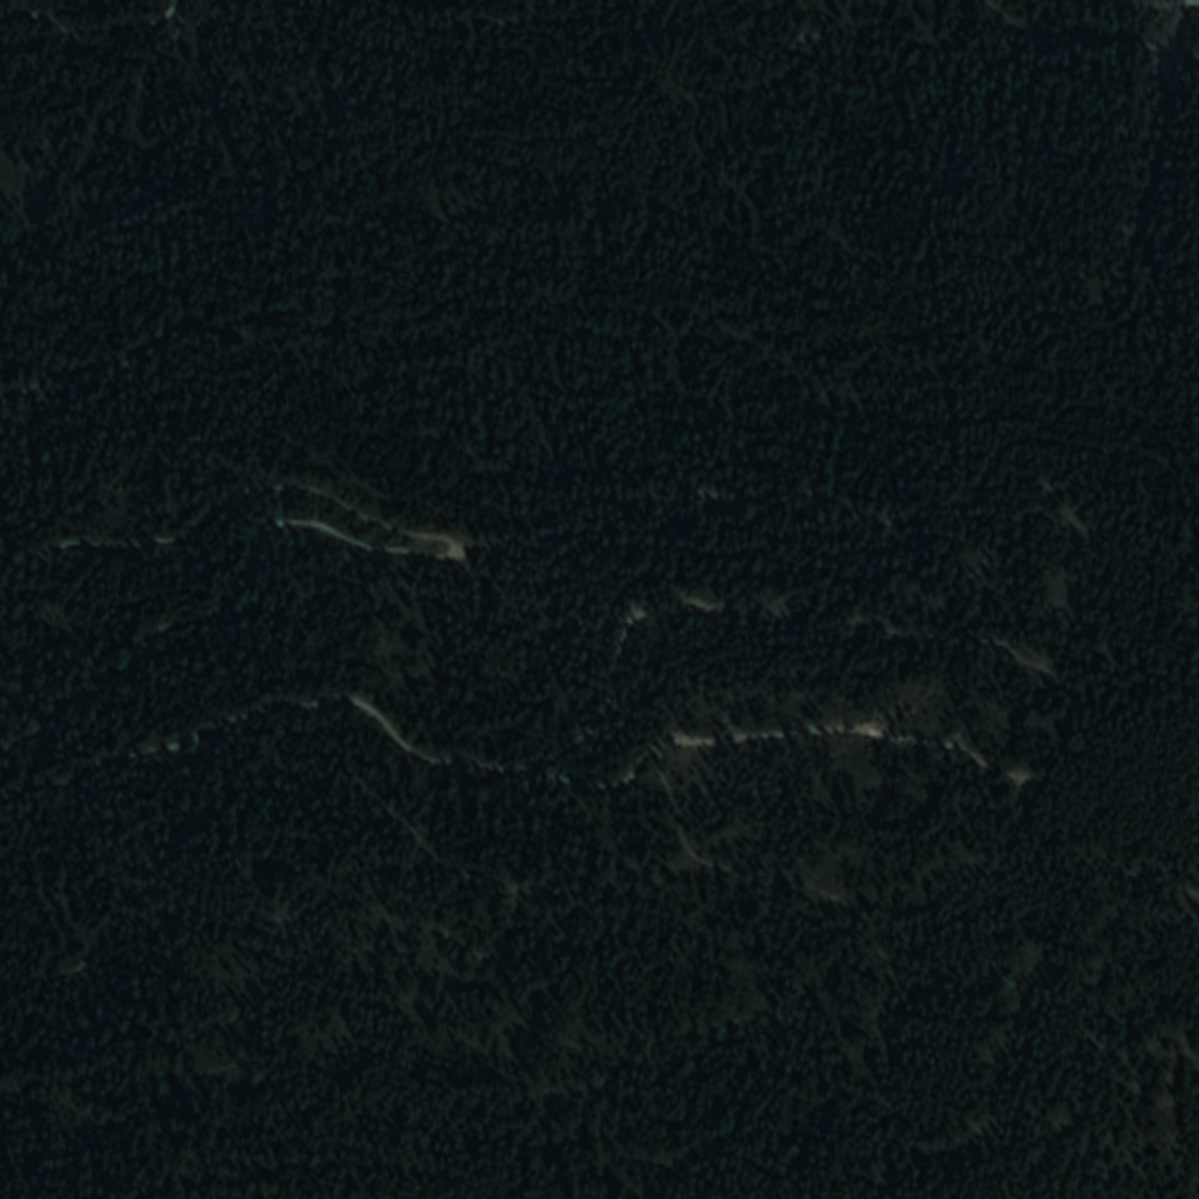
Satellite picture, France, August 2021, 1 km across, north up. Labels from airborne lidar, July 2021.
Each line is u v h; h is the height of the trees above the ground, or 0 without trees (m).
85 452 18
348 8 10
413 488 11
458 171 27
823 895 0
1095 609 17
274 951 17
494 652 25
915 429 13
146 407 13
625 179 23
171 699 14
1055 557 19
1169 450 16
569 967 23
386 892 11
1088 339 23
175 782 12
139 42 16
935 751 22
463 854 11
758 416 20
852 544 9
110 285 21
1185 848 17
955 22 17
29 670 12
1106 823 19
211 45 20
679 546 25
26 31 15
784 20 14
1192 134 18
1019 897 18
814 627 17
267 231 11
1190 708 27
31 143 16
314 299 22
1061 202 22
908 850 26
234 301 15
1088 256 16
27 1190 19
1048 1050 18
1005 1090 20
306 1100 24
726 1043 8
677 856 11
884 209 19
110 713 15
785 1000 25
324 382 15
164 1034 15
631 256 22
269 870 8
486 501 20
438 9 10
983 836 21
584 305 11
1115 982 14
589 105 18
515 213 7
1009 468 17
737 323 7
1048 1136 7
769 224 6
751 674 21
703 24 11
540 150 28
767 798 20
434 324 13
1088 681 21
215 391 15
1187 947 21
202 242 15
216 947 15
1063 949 12
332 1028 22
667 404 14
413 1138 22
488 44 15
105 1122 23
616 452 15
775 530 20
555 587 14
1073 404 13
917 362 23
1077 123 20
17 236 30
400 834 10
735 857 17
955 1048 17
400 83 8
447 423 20
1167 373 23
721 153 7
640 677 19
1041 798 19
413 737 20
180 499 20
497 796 12
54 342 24
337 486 9
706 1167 24
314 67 11
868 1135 20
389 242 12
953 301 20
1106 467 16
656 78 11
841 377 21
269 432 7
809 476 18
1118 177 19
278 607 11
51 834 14
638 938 13
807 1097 26
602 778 7
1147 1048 21
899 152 22
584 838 9
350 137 28
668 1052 15
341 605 18
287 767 8
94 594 21
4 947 22
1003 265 22
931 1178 19
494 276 18
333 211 8
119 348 13
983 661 13
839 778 6
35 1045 16
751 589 15
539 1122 24
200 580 13
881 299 12
